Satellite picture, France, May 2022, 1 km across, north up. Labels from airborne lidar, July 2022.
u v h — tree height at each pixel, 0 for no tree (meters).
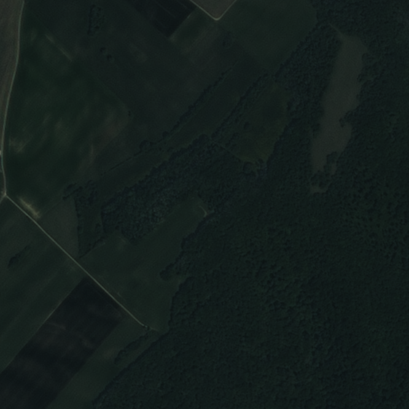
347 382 22
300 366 26
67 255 0
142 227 22
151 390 14
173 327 12
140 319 0
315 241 20
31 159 0
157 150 7
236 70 0
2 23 0
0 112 0
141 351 0
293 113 19
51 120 0
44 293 0
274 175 16
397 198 15
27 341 0
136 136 0
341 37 0
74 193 10
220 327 13
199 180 21
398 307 15
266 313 16
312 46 18
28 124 0
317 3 20
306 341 24
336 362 27
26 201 0
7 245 0
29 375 0
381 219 18
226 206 18
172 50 0
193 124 0
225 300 16
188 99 0
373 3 20
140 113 0
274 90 0
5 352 0
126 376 15
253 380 20
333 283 19
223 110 0
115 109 0
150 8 0
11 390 0
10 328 0
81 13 0
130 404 14
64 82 0
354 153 12
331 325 28
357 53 0
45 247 0
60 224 0
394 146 21
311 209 7
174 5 0
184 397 19
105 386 0
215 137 15
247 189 18
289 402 20
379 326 13
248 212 19
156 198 26
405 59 17
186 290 22
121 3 0
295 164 16
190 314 13
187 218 0
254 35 0
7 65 0
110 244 0
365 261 13
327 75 11
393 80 16
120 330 0
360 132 16
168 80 0
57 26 0
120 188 0
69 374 0
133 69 0
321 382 25
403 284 13
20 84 0
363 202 15
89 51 0
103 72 0
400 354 21
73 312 0
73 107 0
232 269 19
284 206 14
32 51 0
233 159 22
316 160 0
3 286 0
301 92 19
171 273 14
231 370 12
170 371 16
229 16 0
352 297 18
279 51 0
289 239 22
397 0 21
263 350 18
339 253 16
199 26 0
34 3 0
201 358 19
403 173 21
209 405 15
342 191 10
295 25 0
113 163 0
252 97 13
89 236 0
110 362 0
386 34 17
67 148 0
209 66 0
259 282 16
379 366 18
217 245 18
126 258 0
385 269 14
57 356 0
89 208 7
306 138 11
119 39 0
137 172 0
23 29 0
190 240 17
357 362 20
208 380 14
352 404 21
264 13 0
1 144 0
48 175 0
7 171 0
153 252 0
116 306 0
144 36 0
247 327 19
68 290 0
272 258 23
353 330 21
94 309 0
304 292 26
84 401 0
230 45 10
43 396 0
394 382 26
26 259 0
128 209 25
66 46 0
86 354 0
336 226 12
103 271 0
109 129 0
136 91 0
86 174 0
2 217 0
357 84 0
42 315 0
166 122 0
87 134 0
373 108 19
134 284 0
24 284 0
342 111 0
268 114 0
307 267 19
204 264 19
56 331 0
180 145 0
